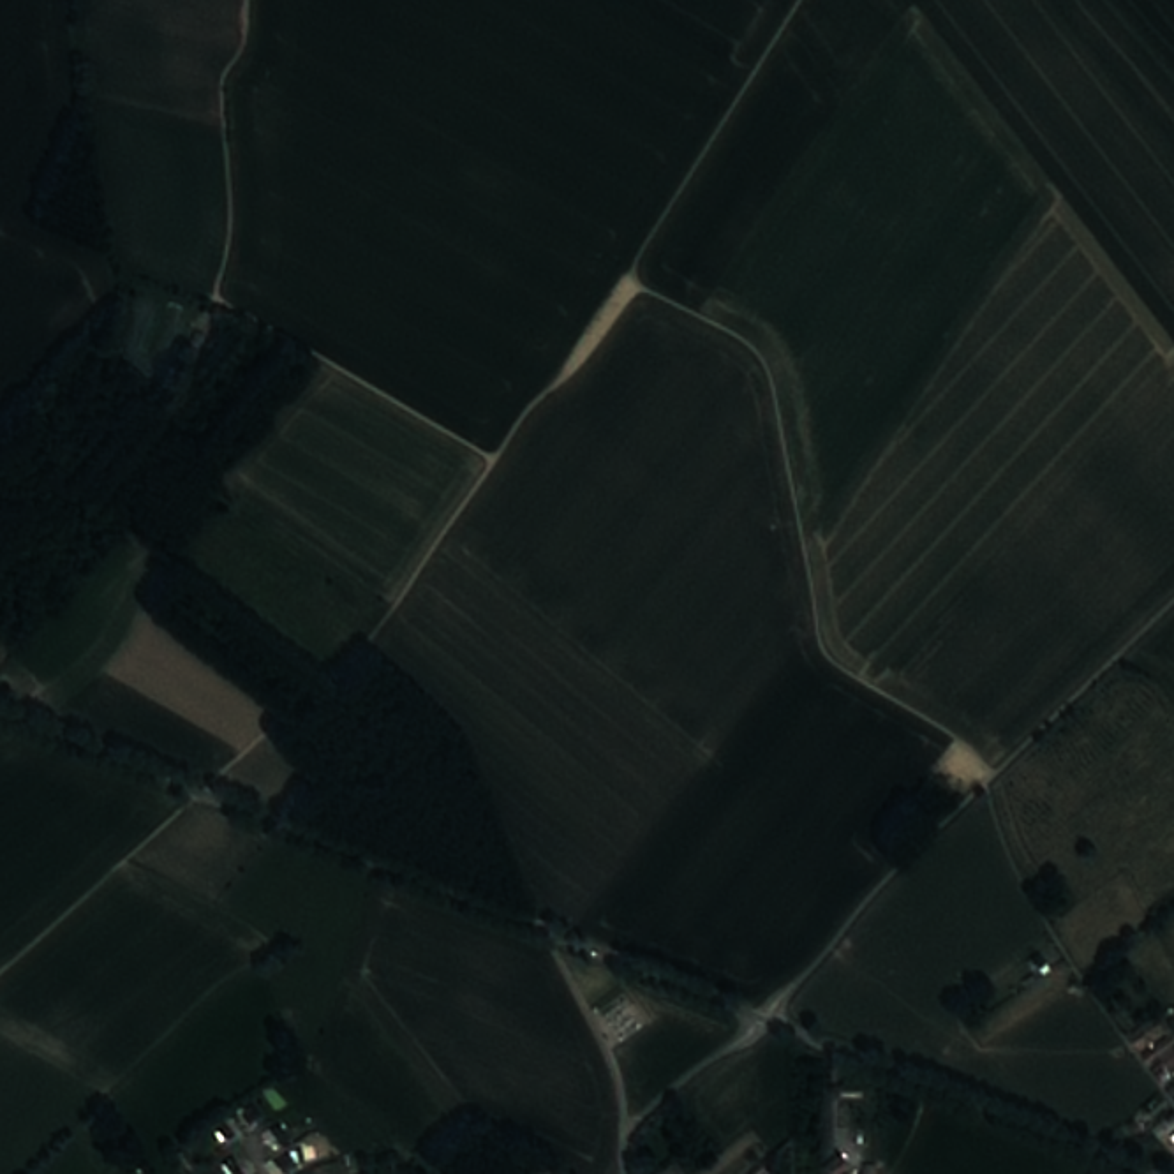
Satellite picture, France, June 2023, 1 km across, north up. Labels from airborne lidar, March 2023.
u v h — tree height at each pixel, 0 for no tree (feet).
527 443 0
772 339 0
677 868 0
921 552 0
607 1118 0
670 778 0
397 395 0
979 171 0
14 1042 0
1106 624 0
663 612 0
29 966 0
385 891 0
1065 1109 0
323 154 0
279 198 0
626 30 0
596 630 0
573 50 0
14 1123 0
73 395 93
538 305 0
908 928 0
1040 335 0
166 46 0
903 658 0
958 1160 0
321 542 0
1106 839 0
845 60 0
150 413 113
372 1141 0
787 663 0
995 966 0
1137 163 0
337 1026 0
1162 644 0
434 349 0
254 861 0
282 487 0
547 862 0
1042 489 0
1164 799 0
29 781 0
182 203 0
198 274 0
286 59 0
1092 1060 0
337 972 0
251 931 0
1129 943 48
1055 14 0
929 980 0
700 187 0
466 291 0
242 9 0
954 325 0
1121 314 0
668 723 0
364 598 0
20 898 0
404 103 0
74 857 0
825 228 0
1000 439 0
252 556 0
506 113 0
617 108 0
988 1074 0
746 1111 0
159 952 0
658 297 0
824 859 0
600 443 0
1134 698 0
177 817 0
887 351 0
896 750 0
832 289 0
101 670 0
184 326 0
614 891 0
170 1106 0
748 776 0
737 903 0
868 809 0
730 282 0
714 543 0
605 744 0
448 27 0
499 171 0
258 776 0
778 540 0
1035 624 0
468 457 0
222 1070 0
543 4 0
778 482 0
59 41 0
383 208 0
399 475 0
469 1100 0
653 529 0
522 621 0
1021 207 0
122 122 0
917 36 0
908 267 0
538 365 0
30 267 0
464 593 0
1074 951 0
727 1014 62
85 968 0
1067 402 0
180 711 0
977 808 0
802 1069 20
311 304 0
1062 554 0
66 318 0
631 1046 0
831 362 0
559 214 0
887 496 0
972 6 0
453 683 0
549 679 0
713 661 0
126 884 0
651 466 0
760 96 0
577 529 0
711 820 0
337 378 0
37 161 0
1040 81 0
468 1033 0
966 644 0
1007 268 0
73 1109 0
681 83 0
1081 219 0
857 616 0
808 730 0
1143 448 0
